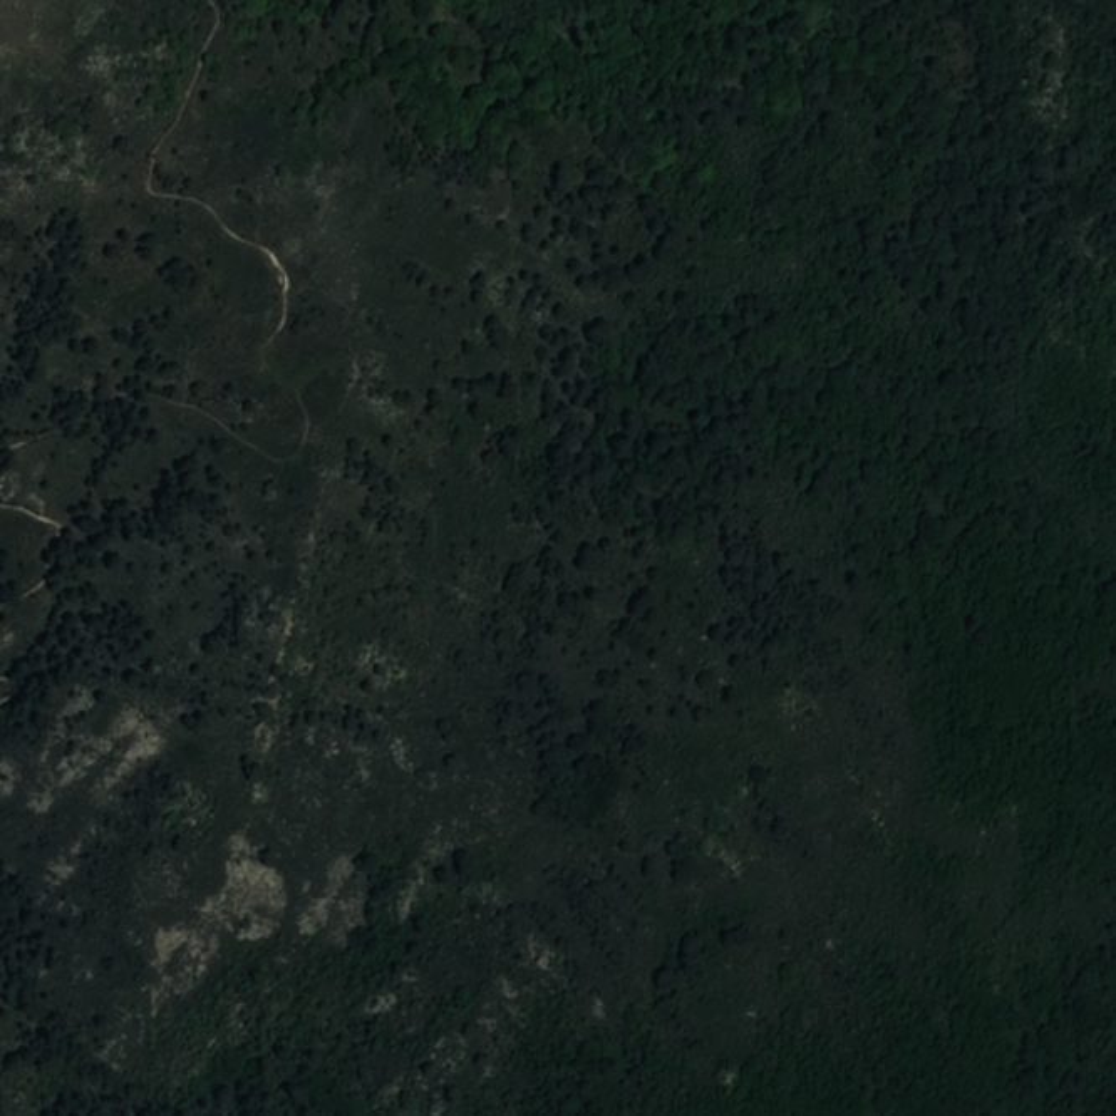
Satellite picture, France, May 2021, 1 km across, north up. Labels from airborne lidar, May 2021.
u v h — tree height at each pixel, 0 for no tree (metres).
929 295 9
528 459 7
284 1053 28
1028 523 28
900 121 11
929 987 7
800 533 5
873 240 29
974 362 11
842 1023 8
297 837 0
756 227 10
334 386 0
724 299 6
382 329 9
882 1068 15
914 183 10
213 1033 8
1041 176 21
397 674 7
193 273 20
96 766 0
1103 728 12
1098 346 13
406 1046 10
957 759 18
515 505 9
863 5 19
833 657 16
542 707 18
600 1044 7
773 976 7
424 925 22
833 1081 12
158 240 18
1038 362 10
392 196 0
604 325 25
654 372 34
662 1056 9
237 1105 8
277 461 0
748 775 5
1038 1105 11
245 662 0
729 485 24
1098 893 6
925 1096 15
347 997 8
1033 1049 18
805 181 7
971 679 12
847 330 11
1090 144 19
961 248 29
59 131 9
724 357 24
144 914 0
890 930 6
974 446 11
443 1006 10
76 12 0
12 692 7
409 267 10
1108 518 19
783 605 18
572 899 9
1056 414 16
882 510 6
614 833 7
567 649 9
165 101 11
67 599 14
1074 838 10
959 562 13
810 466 15
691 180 22
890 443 15
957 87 8
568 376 24
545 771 14
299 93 7
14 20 0
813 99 20
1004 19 10
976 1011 14
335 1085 14
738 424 34
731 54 25
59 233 22
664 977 23
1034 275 14
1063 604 13
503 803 0
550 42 36
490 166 17
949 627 13
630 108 31
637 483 28
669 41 28
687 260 9
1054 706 14
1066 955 6
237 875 0
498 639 13
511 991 0
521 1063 11
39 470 0
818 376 23
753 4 25
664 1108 10
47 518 0
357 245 0
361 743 11
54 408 7
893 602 6
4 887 32
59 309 24
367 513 14
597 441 32
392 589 12
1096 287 12
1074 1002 19
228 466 0
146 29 8
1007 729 7
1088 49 8
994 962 13
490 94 29
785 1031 10
